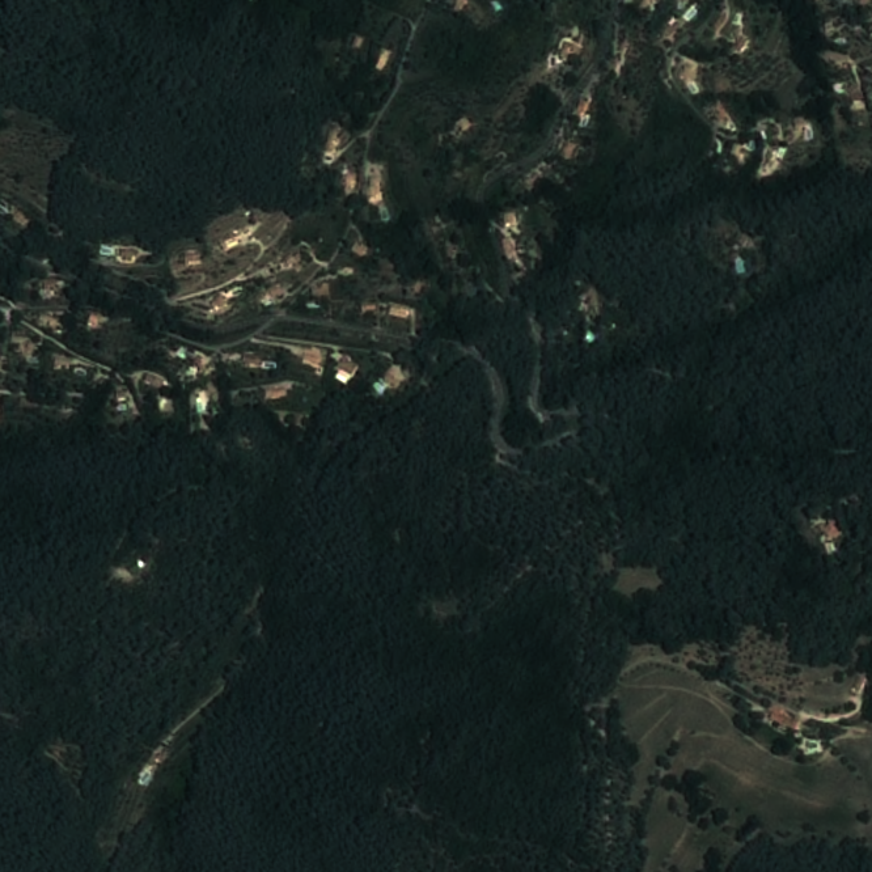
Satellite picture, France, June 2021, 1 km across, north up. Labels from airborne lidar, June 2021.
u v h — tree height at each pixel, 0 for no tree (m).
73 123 18
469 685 8
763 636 7
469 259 13
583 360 21
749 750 0
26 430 13
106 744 18
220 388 12
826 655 12
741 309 14
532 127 13
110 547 15
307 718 9
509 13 6
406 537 8
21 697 10
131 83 18
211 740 13
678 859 0
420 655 12
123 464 20
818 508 21
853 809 0
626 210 19
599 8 6
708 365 14
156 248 21
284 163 19
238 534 12
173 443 16
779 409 19
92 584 16
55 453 15
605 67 7
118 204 17
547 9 18
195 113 16
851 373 20
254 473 19
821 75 7
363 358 6
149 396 9
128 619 7
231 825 17
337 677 15
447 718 11
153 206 16
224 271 6
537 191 13
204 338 6
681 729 0
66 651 15
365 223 9
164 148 15
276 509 8
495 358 18
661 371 16
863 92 10
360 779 14
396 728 8
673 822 0
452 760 15
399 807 8
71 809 16
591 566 10
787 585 10
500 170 7
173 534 18
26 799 15
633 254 19
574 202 8
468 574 11
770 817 0
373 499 10
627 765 16
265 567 11
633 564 16
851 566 22
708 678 13
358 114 17
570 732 13
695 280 20
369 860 14
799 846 10
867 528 12
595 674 21
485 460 16
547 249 14
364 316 6
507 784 16
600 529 10
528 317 16
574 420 0
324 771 8
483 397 18
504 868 10
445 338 8
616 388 14
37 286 7
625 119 0
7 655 15
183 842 14
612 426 7
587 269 18
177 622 8
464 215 16
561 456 16
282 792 16
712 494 19
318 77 18
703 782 13
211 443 16
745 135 10
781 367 19
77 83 21
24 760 16
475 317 17
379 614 14
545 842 16
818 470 23
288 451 16
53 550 15
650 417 18
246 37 24
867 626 10
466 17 11
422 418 15
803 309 20
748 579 19
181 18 17
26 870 15
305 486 8
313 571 15
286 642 14
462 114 6
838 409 21
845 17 10
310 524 8
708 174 11
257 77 14
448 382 15
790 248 19
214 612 15
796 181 17
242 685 14
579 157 6
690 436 18
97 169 18
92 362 8
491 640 10
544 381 13
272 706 15
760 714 10
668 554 15
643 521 18
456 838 7
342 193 10
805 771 0
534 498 16
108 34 19
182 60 21
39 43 14
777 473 20
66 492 12
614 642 21
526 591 9
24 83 24
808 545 8
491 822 10
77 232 18
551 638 19
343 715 19
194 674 7
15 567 23
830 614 21
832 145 14
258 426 20
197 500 17
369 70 13
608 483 17
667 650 17
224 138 19
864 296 21
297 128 18
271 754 16
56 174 17
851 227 21
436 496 17
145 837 21
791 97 0
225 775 17
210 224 21
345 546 14
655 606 15
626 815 19
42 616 18
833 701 0
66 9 13
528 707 13
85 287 20
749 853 17
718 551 18
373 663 8
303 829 17
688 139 9
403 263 18
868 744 0
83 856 15
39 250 17
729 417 21
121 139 15
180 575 16
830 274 13
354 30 7
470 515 15
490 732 14
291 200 16
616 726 20
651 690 0
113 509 16
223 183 16
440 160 8
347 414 15
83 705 8
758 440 20
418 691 13
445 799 10
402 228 8
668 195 23
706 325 18
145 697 23
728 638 11
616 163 7
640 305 15
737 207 15
